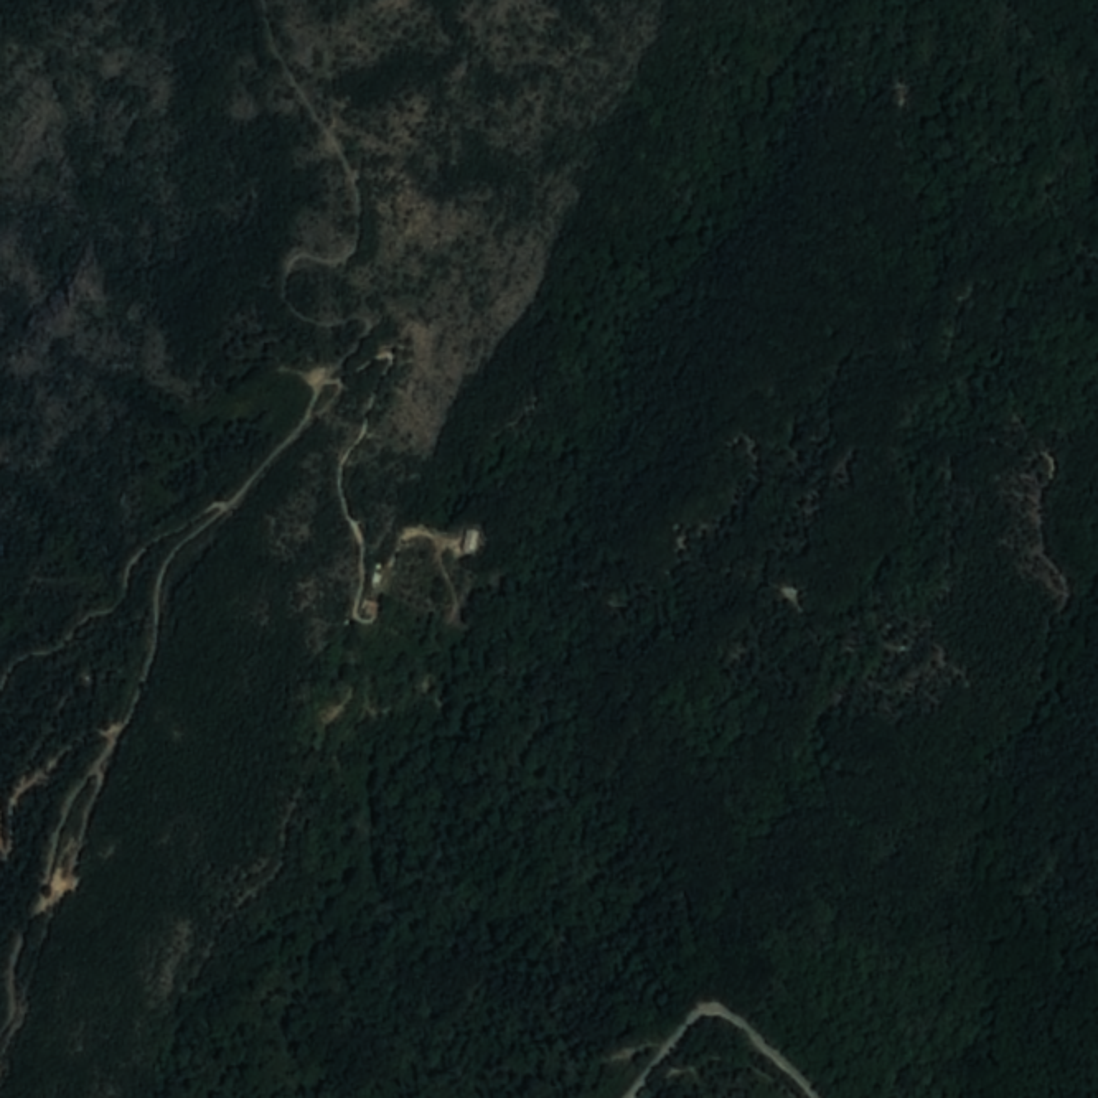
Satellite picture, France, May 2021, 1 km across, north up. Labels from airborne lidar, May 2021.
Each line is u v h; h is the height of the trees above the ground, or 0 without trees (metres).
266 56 6
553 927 23
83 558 11
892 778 15
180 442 10
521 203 9
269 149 8
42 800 11
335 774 10
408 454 6
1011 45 7
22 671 6
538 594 19
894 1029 12
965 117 17
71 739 8
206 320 11
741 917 17
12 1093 12
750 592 13
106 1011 9
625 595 15
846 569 18
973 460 18
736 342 20
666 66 8
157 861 9
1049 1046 21
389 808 27
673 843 16
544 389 15
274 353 14
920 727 11
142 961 7
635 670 16
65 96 8
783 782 14
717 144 8
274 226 8
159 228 6
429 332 0
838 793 12
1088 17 25
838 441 12
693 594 12
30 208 6
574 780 17
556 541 23
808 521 13
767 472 14
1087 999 29
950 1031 17
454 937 18
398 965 18
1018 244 14
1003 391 16
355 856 18
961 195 17
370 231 8
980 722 13
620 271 23
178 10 9
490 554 13
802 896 12
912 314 16
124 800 14
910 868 19
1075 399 18
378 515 6
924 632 12
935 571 18
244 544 9
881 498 19
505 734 18
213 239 8
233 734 9
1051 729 31
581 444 21
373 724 10
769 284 15
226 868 11
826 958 14
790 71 22
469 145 7
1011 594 15
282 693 10
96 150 7
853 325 14
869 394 17
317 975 19
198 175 6
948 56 10
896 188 17
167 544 10
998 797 25
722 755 14
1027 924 29
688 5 17
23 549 7
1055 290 13
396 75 10
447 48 7
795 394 15
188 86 8
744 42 18
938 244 19
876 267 17
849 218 18
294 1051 11
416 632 10
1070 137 7
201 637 12
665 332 14
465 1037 14
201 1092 6
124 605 6
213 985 16
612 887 18
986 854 25
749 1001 10
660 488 12
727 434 11
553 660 18
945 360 10
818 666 12
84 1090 11
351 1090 15
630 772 15
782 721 17
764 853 19
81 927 12
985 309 16
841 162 16
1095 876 20
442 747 24
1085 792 18
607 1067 10
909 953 18
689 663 16
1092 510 25
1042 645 14
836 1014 15
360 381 8
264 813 13
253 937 15
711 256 21
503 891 18
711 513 13
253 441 10
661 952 22
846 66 9
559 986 14
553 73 7
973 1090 28
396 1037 20
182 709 9
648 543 11
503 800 19
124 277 7
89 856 10
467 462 10
